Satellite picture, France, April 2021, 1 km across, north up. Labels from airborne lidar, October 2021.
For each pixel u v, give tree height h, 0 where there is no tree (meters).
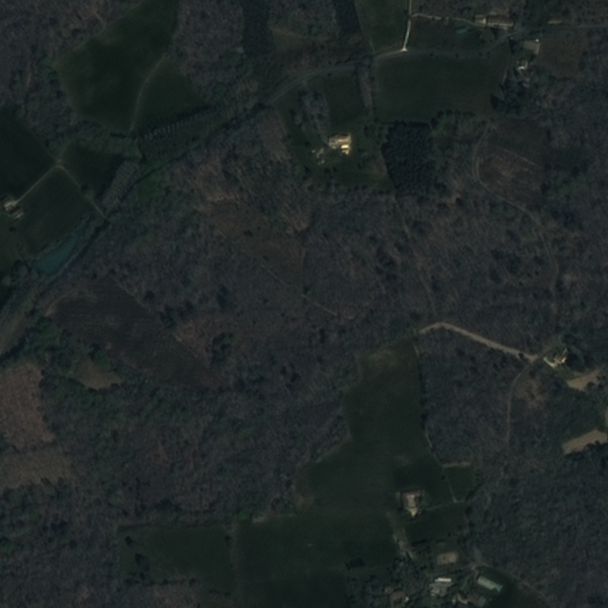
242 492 25
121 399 20
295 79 0
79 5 19
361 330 12
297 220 23
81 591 17
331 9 18
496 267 15
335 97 0
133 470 6
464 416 22
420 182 23
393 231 18
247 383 20
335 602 0
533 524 17
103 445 20
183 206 24
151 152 32
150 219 23
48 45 17
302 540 0
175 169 18
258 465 23
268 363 12
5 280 20
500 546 19
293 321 9
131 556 0
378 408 0
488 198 19
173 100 0
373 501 0
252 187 18
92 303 0
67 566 15
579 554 17
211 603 0
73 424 18
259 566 0
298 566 0
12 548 21
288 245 8
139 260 11
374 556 0
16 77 19
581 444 0
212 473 10
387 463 0
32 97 23
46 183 0
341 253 16
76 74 0
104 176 0
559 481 19
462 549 9
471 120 15
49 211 0
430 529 0
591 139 17
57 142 17
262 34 7
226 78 24
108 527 15
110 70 0
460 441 24
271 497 19
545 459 22
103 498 14
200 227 18
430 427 22
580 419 16
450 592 8
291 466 15
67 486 14
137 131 0
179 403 16
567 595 17
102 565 16
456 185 21
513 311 14
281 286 6
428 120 0
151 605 12
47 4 21
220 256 7
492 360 13
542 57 0
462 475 0
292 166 14
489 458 17
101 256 13
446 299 21
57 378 21
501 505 14
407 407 0
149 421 13
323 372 16
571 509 21
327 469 0
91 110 0
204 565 0
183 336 8
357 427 0
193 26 18
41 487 13
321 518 0
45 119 16
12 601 6
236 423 23
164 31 0
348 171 0
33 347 17
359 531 0
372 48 0
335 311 8
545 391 24
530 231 25
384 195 13
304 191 15
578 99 17
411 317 16
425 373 17
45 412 20
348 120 0
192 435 13
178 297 21
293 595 0
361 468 0
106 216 23
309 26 20
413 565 14
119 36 0
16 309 21
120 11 15
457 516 0
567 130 13
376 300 8
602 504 24
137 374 13
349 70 0
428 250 22
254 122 18
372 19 0
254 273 10
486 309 16
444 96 0
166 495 8
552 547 9
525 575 9
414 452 0
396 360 0
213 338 12
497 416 19
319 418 19
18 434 0
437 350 14
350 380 22
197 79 22
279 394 13
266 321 8
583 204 16
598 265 11
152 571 0
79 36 20
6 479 17
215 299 12
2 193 0
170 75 0
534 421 18
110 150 26
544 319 10
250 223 10
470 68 0
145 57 0
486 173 0
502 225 24
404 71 0
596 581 18
